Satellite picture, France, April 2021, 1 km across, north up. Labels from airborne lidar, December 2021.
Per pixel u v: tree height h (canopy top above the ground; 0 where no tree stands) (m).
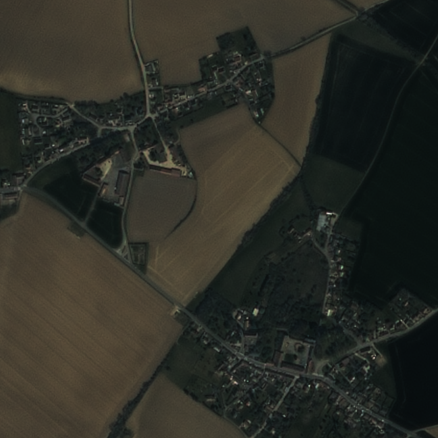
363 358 0
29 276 0
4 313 0
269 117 0
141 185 0
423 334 0
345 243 10
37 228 0
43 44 0
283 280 8
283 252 0
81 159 7
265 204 0
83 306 0
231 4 0
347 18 0
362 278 0
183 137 0
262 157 0
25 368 0
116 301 0
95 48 0
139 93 0
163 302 0
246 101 0
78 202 0
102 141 11
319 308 11
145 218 0
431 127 0
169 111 8
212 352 0
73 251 0
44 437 0
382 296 0
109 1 0
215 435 0
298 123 0
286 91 0
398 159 0
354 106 0
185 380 0
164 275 0
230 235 0
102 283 0
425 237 0
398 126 0
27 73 0
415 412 0
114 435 7
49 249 0
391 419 0
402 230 0
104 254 0
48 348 0
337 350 25
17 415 0
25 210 0
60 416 0
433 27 0
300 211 0
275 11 0
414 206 0
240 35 0
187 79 0
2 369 0
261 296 8
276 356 0
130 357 0
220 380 0
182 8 0
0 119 0
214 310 20
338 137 0
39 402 0
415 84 0
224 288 0
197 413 0
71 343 0
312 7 0
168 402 0
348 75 0
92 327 0
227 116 0
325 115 0
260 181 0
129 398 0
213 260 0
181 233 0
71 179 0
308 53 0
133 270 0
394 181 0
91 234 0
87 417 0
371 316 6
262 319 7
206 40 0
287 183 0
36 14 0
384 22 0
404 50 10
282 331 8
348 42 0
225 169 0
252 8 0
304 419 0
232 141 0
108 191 0
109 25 0
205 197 0
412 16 0
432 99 0
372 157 0
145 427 0
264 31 0
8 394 0
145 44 0
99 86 0
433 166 0
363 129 0
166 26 0
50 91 0
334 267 0
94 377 0
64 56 0
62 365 0
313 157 0
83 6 0
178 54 0
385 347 0
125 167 0
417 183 0
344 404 0
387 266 0
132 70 0
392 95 0
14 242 0
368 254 0
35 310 0
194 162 0
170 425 0
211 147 0
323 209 10
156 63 7
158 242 0
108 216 0
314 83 0
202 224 0
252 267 0
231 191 0
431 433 0
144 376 0
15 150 0
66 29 0
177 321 0
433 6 0
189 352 0
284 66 0
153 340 0
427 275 0
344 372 0
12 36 0
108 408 0
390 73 0
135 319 0
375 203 0
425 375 0
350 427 14
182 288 0
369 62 0
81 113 13
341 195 0
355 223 0
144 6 0
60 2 0
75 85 0
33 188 0
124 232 0
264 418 9
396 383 0
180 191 0
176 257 0
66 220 0
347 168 0
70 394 0
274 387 0
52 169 0
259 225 7
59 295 0
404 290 18
